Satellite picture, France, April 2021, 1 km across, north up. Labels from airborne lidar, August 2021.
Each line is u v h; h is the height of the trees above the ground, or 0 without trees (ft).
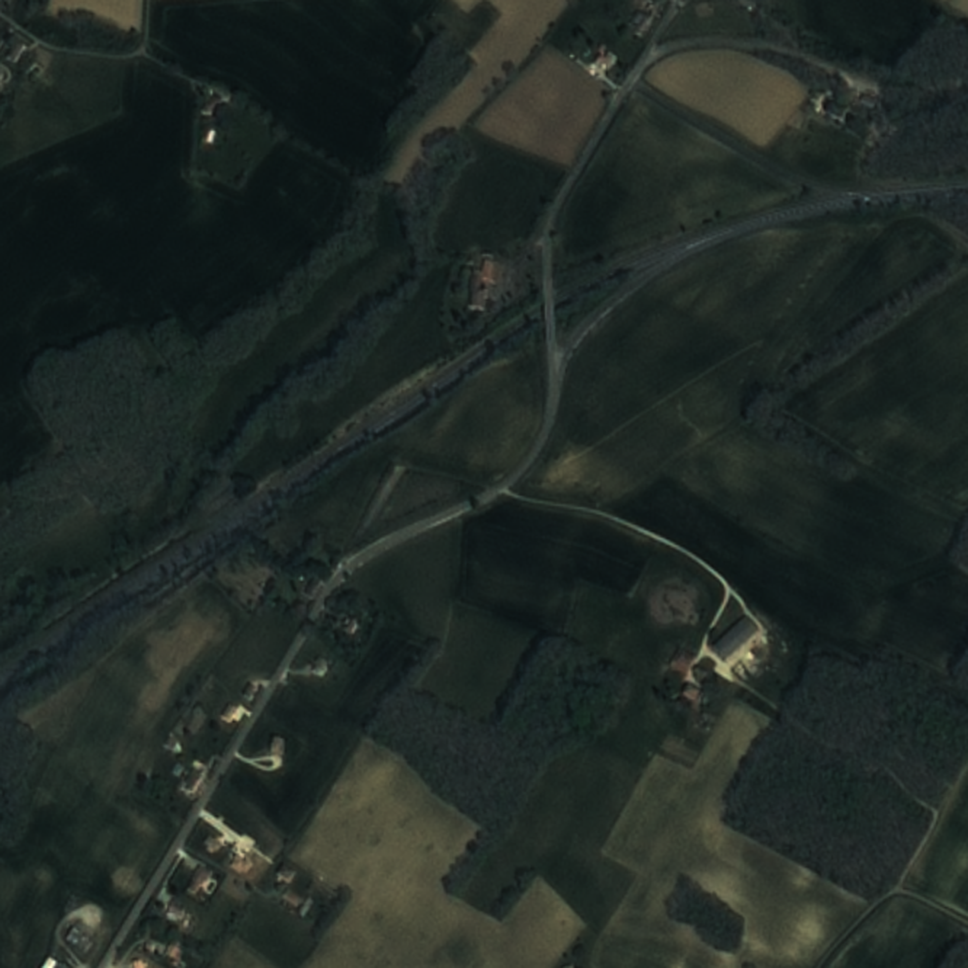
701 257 0
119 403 61
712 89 0
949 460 0
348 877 0
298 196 0
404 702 56
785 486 0
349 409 0
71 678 49
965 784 0
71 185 0
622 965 0
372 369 0
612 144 0
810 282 0
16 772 53
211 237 0
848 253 0
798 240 0
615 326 0
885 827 52
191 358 52
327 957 0
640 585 0
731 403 0
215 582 26
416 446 0
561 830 0
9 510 24
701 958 0
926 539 0
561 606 0
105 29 37
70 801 0
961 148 61
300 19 0
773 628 0
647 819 0
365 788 0
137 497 50
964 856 0
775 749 67
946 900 0
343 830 0
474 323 45
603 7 0
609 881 0
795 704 56
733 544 0
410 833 0
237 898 0
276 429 68
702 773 0
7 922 0
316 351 0
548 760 62
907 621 0
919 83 55
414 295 52
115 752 0
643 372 0
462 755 63
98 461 69
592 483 0
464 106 0
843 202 0
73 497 56
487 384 0
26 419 0
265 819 0
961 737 61
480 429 0
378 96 0
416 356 0
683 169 0
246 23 0
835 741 63
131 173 0
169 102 0
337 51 0
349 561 0
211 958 40
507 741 73
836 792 71
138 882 0
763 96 0
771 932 0
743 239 0
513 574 0
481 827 44
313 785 0
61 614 39
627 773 0
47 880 0
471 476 0
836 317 0
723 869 0
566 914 0
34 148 0
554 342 0
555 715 76
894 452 0
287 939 0
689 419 0
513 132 0
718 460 0
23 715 49
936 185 0
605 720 71
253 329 74
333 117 0
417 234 81
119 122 0
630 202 0
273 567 29
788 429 72
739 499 0
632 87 0
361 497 0
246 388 0
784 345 0
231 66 0
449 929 0
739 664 0
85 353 65
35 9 38
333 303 0
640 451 0
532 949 0
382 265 0
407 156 0
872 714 66
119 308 0
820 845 51
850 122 40
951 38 64
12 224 0
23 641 45
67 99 0
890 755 71
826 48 24
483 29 0
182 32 0
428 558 0
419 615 0
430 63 53
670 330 0
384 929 0
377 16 0
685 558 0
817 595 0
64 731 0
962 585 0
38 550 0
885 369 0
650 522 0
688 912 60
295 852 0
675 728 0
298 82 0
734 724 0
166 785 21
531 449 0
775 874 0
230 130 40
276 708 0
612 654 0
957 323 0
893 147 58
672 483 0
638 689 0
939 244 0
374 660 0
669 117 0
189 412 79
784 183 0
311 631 41
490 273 0
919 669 41
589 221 0
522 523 0
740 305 0
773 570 0
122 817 0
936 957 0
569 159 0
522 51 0
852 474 56
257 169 0
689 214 0
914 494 0
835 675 65
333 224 0
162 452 72
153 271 0
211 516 0
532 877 34
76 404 54
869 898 58
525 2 0
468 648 0
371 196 47
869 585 0
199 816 0
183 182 0
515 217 0
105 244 0
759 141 0
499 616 0
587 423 0
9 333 0
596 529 0
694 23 0
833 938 0
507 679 0
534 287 24
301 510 0
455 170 59
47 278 0
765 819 57
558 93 0
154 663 0
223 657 0
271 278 0
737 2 20
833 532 0
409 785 0
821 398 0
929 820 50
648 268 0
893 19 0
